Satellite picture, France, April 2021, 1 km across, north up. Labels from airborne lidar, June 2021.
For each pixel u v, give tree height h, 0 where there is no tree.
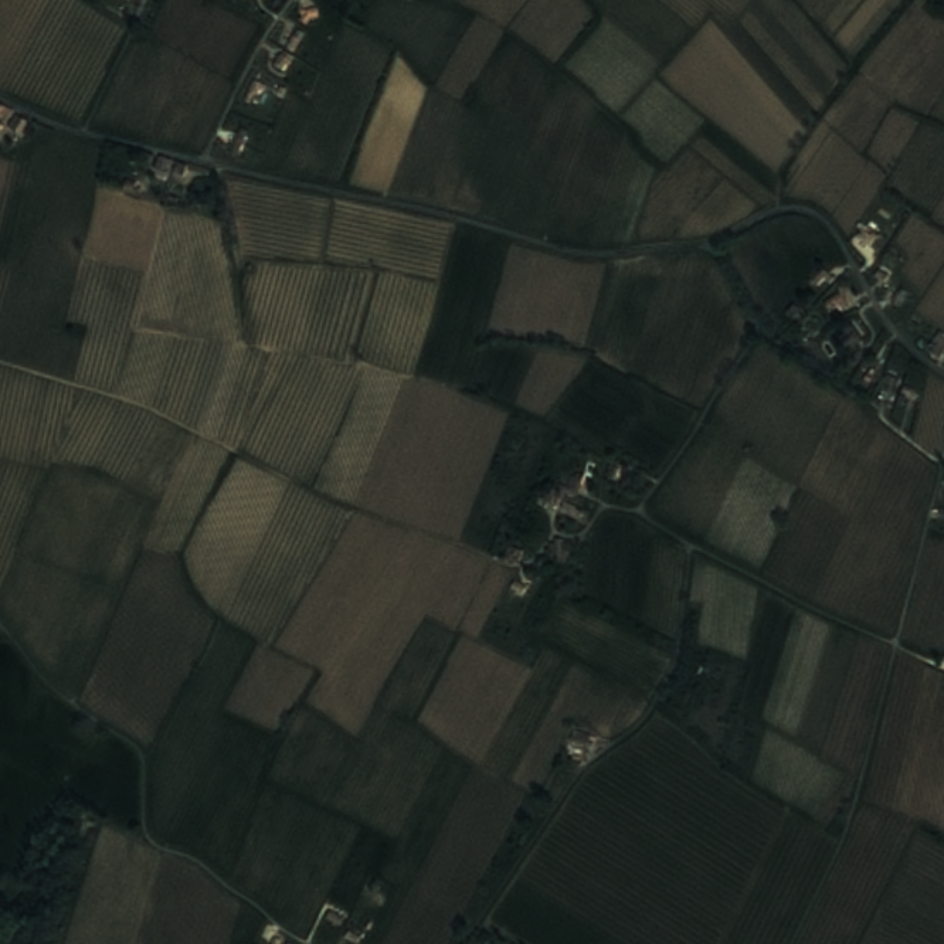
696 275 0
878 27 0
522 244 0
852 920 0
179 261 0
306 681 0
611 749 0
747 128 0
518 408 0
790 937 0
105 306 0
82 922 0
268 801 0
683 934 0
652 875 0
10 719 0
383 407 0
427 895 0
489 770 0
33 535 0
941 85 0
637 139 0
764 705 0
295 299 0
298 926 0
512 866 0
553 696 0
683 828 0
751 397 0
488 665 0
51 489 0
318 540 0
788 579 0
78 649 0
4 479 0
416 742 0
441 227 0
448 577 0
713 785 0
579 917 0
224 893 0
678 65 0
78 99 0
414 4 0
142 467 0
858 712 0
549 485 7
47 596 0
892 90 0
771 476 0
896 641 0
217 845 0
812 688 0
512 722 0
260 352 0
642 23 0
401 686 0
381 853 0
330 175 0
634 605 0
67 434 0
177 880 0
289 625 0
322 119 0
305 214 0
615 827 0
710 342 0
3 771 0
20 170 0
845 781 0
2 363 0
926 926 0
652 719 0
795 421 0
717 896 0
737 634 0
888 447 0
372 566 0
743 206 0
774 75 0
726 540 0
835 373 16
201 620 0
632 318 0
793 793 0
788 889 0
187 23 0
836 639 0
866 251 0
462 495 0
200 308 0
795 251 0
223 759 0
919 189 0
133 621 0
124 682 0
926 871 0
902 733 0
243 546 0
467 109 0
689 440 0
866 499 0
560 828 0
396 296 0
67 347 0
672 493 0
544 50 0
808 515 0
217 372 0
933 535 0
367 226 0
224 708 0
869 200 0
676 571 0
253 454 0
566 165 0
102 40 0
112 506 0
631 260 0
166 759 0
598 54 0
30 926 21
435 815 0
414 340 0
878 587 0
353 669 0
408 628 0
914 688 0
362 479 0
